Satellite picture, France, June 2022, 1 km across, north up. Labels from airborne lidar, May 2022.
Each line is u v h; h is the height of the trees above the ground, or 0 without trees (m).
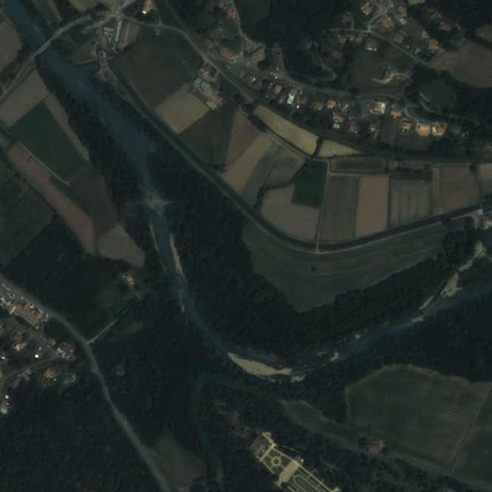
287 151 0
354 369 17
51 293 19
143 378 24
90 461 22
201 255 26
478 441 0
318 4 24
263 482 20
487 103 19
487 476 0
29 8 9
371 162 0
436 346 16
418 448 0
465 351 23
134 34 0
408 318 0
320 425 0
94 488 17
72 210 0
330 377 19
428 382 0
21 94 0
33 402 16
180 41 0
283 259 0
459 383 0
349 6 11
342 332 15
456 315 12
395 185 0
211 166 10
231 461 20
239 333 22
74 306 10
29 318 0
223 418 20
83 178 0
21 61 19
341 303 23
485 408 0
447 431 0
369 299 18
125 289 10
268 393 29
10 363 9
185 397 17
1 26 0
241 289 13
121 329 12
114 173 21
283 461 0
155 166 15
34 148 0
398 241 0
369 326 17
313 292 0
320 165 0
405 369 0
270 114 0
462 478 0
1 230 0
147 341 19
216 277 13
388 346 15
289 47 19
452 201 0
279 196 0
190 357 20
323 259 0
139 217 8
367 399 0
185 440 20
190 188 10
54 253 10
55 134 0
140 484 23
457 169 0
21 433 26
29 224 0
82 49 0
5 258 0
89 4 0
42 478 19
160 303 10
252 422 11
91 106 29
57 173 0
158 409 22
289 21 30
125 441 22
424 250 0
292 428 22
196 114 0
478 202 0
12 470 27
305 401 6
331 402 18
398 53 0
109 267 14
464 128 15
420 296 9
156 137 14
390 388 0
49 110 0
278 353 16
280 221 0
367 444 13
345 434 0
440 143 16
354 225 0
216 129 0
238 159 0
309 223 0
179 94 0
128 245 0
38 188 0
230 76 0
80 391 11
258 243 0
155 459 0
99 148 21
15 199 0
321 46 12
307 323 18
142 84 0
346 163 0
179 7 16
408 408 0
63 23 12
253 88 0
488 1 13
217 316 11
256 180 0
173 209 19
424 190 0
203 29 7
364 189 0
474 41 11
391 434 0
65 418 21
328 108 0
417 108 6
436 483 21
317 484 0
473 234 17
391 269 0
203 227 17
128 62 0
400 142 0
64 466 30
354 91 15
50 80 23
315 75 17
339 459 14
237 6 10
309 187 0
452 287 0
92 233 0
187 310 0
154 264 13
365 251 0
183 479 0
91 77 19
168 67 0
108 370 19
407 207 0
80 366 15
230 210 11
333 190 0
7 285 0
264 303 17
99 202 0
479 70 0
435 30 12
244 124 0
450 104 0
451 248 16
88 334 9
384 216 0
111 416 16
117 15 0
